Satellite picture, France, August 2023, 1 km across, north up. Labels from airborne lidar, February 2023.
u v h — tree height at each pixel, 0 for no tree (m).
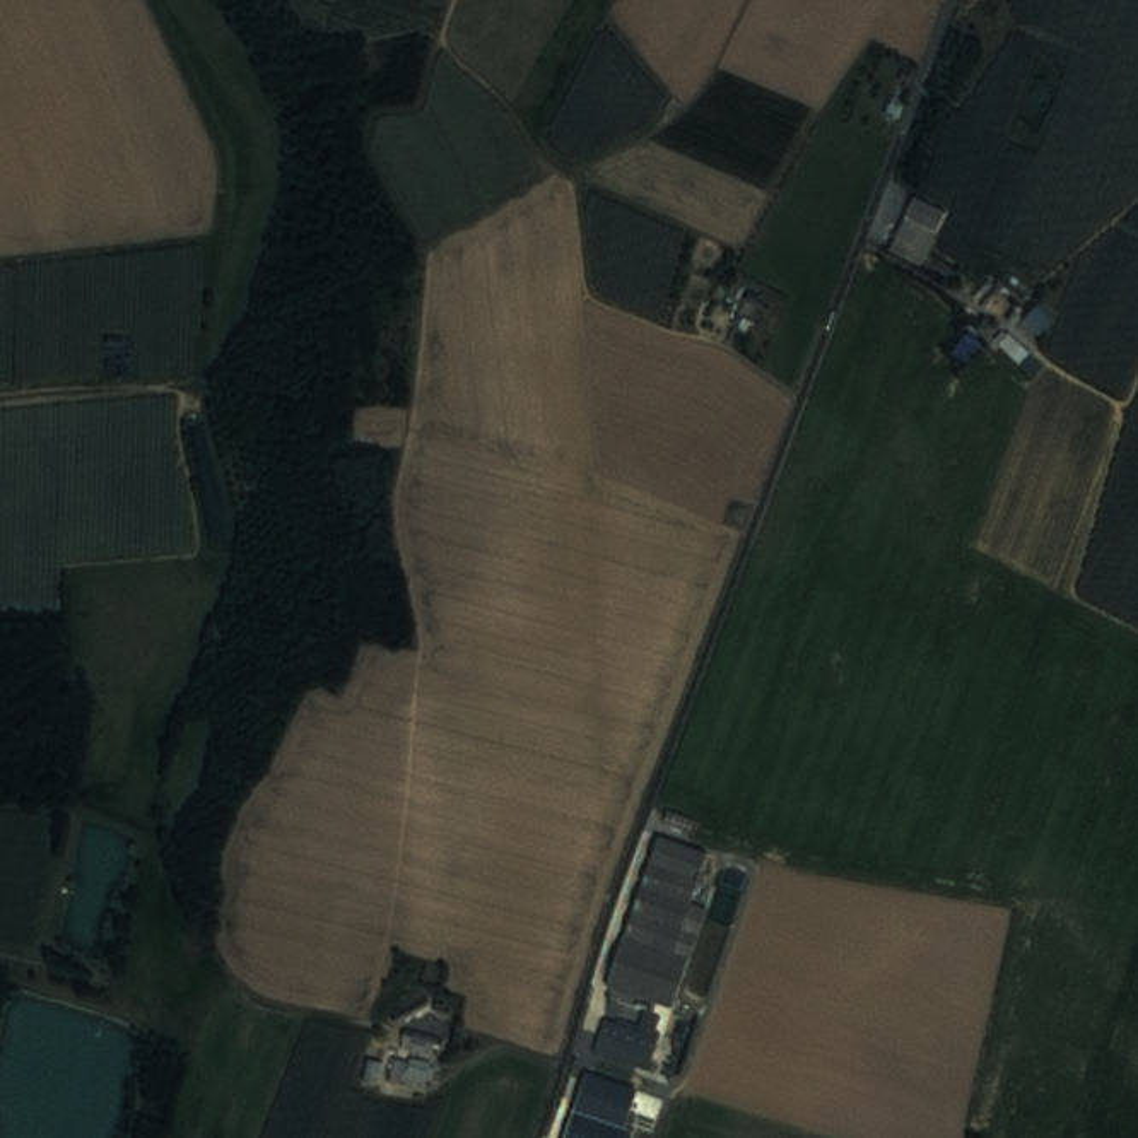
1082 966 0
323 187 8
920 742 0
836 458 0
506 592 0
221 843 14
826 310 0
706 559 0
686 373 0
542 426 0
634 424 0
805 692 0
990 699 0
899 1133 0
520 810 0
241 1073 0
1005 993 0
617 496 0
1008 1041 0
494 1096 0
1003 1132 0
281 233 19
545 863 0
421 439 0
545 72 0
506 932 0
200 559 0
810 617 0
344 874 0
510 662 0
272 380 22
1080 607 0
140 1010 0
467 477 0
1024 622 0
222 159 0
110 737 0
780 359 0
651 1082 0
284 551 12
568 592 0
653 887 0
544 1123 0
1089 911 0
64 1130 0
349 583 17
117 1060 0
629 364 0
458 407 0
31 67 0
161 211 0
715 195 0
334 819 0
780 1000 0
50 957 16
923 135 10
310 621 18
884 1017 0
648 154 0
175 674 0
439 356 0
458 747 0
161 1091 11
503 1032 0
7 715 24
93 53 0
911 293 0
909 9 0
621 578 0
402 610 17
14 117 0
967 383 0
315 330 26
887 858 0
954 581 0
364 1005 0
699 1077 0
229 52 0
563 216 0
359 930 0
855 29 0
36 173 0
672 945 0
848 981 0
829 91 0
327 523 23
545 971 0
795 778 0
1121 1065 0
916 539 0
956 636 0
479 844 0
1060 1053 0
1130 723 0
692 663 0
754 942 0
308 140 6
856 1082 0
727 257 9
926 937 0
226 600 12
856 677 0
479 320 0
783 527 0
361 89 6
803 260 0
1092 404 0
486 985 0
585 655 0
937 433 0
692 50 0
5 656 27
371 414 0
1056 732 0
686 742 0
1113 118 0
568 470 0
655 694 0
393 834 0
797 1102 0
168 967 0
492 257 0
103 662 0
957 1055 0
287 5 11
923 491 0
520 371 0
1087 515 0
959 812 0
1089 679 0
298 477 18
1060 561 0
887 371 0
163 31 0
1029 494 0
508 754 0
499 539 0
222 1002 0
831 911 0
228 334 0
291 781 0
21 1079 0
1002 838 0
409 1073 0
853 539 0
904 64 9
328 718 0
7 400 0
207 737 0
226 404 15
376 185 6
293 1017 0
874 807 0
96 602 0
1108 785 0
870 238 0
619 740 0
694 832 0
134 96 0
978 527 0
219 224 0
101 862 0
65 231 0
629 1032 0
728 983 0
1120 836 0
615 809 0
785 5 0
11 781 25
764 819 0
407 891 0
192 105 0
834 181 0
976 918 0
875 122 0
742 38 0
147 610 0
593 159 0
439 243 0
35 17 0
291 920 0
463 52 0
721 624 0
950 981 0
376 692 0
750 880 0
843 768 0
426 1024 0
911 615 0
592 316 0
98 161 0
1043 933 0
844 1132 0
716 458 0
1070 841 0
